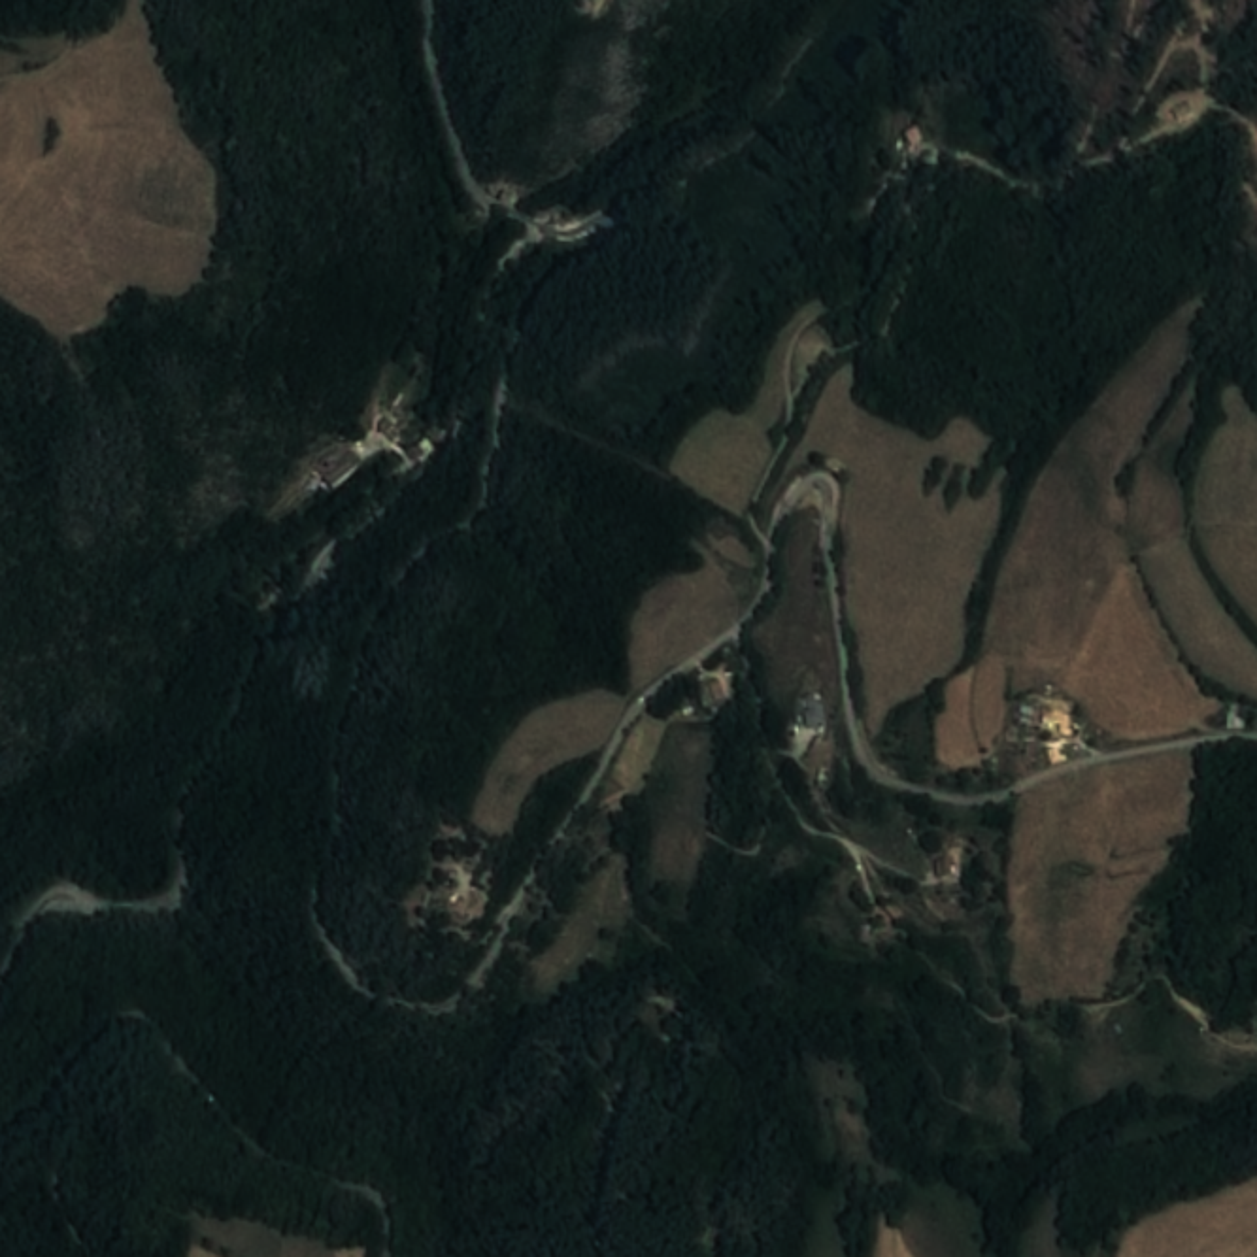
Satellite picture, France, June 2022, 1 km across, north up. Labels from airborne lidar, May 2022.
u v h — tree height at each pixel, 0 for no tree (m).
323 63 21
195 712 19
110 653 8
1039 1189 14
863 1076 13
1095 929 0
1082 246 16
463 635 11
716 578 0
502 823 0
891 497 0
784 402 0
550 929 18
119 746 15
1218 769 16
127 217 0
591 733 0
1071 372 15
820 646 0
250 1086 16
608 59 0
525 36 26
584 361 35
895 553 0
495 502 8
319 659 22
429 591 21
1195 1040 0
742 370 14
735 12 14
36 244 0
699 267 34
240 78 21
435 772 13
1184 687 0
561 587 14
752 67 14
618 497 13
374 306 16
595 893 0
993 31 24
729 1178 19
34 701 13
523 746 0
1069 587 0
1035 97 35
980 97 7
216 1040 14
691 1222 26
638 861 13
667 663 0
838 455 0
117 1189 15
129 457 16
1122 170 19
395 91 15
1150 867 0
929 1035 14
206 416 10
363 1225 7
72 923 17
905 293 10
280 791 13
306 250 17
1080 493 0
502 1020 18
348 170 13
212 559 33
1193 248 10
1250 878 15
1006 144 24
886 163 13
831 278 11
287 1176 18
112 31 11
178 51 19
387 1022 15
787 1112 25
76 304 0
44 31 11
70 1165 16
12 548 19
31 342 12
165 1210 17
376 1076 16
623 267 31
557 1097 29
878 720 0
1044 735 7
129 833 16
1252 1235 0
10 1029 17
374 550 10
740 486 0
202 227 0
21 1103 20
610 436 6
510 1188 19
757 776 16
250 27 18
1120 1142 21
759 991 7
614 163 21
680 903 0
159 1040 25
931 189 11
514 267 16
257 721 14
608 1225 32
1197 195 11
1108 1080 0
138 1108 19
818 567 8
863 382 12
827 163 13
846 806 11
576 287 32
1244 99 21
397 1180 12
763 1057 25
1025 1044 12
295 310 19
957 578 0
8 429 19
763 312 16
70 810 23
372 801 21
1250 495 0
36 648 12
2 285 0
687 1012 16
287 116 19
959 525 0
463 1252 32
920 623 0
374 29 17
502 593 19
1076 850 0
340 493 19
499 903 10
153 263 0
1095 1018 0
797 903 15
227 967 30
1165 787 0
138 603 7
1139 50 14
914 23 31
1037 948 0
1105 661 0
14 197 0
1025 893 0
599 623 9
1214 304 11
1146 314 13
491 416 11
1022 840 0
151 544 11
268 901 16
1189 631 0
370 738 17
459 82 17
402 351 20
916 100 17
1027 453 11
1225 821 16
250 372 16
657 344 35
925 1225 0
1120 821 0
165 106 0
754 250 18
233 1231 0
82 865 17
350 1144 14
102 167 0
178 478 11
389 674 21
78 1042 13
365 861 21
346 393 11
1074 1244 12
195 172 0
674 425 10
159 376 11
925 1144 15
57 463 15
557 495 12
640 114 16
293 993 13
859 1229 14
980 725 0
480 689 16
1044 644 0
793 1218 26
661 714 17
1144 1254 0
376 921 20
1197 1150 15
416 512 9
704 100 6
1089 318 15
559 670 11
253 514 20
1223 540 0
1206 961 17
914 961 0
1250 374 13
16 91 0
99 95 0
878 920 9
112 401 9
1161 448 0
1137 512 0
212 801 15
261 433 7
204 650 16
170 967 8
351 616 17
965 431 0
